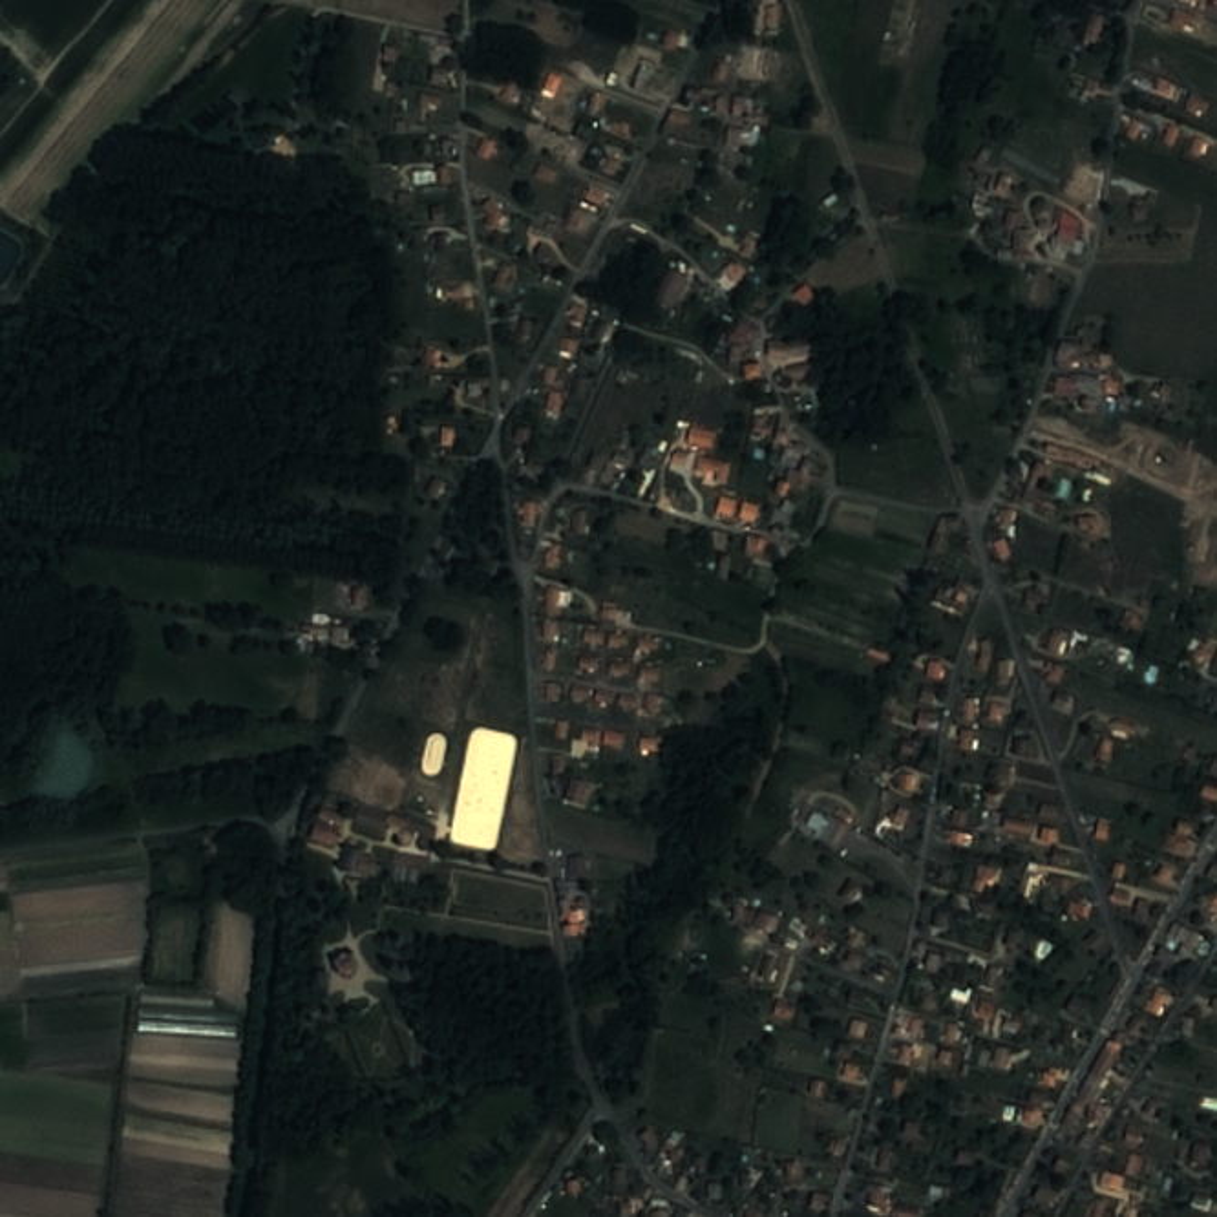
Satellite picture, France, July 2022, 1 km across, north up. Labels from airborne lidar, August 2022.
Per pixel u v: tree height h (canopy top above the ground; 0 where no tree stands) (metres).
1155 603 8
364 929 0
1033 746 0
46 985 0
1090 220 0
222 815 0
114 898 0
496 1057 23
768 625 0
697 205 13
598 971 14
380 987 0
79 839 0
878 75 0
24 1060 0
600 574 6
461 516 13
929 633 8
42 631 37
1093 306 0
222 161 33
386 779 0
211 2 0
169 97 10
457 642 14
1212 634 0
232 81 0
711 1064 0
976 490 0
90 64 0
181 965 0
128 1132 0
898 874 0
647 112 0
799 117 20
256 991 12
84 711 18
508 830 0
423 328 0
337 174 31
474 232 0
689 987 9
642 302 14
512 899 0
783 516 0
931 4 0
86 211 36
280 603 0
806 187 0
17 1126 0
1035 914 12
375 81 0
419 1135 9
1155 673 0
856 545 0
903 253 0
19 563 32
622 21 13
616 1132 11
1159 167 0
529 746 0
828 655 0
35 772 17
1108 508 0
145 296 34
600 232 0
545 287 0
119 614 15
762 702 0
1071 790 0
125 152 34
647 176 0
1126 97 9
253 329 40
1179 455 0
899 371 19
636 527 0
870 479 0
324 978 24
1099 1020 0
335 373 18
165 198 26
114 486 27
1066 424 0
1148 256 0
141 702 0
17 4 0
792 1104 0
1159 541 0
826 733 0
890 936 0
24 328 14
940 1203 7
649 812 15
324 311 33
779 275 15
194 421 39
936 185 0
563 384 0
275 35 0
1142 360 0
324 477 17
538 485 7
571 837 0
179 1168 0
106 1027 0
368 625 12
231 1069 0
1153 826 11
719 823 21
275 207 31
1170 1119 10
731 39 16
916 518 0
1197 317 0
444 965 28
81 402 30
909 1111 14
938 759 9
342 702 6
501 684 0
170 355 8
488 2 12
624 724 0
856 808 0
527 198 18
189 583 0
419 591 18
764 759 13
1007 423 10
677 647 0
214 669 0
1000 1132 8
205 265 33
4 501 30
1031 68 0
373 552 23
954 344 0
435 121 0
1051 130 0
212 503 17
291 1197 0
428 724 0
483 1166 30
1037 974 12
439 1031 24
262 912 10
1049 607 11
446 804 0
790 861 0
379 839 0
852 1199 11
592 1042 7
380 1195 0
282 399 37
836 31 0
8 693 28
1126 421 0
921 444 0
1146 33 0
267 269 31
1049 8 13
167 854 6
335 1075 20
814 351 12
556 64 0
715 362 0
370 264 17
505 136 6
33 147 0
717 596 0
